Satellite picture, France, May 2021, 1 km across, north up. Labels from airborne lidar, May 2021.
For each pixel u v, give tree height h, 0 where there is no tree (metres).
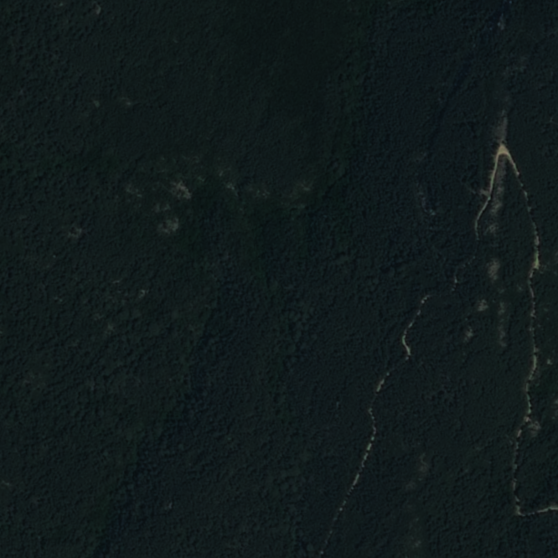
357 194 25
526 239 12
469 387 16
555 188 19
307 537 15
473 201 17
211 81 12
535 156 17
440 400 20
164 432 13
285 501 15
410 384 16
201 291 13
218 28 13
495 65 19
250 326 17
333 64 18
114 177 7
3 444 17
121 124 16
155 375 16
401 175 16
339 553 17
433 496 14
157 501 15
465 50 10
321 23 16
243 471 18
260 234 17
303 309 19
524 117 12
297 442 25
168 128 8
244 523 26
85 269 15
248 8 17
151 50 13
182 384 10
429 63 15
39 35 19
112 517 13
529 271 6
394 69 18
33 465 8
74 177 15
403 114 20
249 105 18
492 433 16
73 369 15
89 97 12
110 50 19
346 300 15
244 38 15
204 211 16
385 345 15
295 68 13
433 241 10
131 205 10
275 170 22
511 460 17
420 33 22
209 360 6
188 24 17
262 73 15
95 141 8
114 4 17
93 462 13
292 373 21
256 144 15
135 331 24
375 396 14
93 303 21
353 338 15
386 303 22
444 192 19
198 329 13
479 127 18
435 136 11
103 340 14
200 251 18
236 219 11
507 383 22
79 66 18
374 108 8
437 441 18
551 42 17
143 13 16
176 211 14
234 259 11
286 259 11
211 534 16
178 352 21
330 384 15
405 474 14
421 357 16
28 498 14
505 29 11
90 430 19
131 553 17
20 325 16
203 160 10
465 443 16
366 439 12
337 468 20
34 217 21
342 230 15
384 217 23
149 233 12
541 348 10
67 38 12
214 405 19
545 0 16
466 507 22
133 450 28
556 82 14
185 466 13
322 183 17
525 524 13
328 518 17
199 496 15
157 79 14
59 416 20
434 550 13
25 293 19
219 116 17
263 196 7
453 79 6
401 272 27
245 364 14
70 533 21
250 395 11
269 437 18
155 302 9
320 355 17
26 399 18
